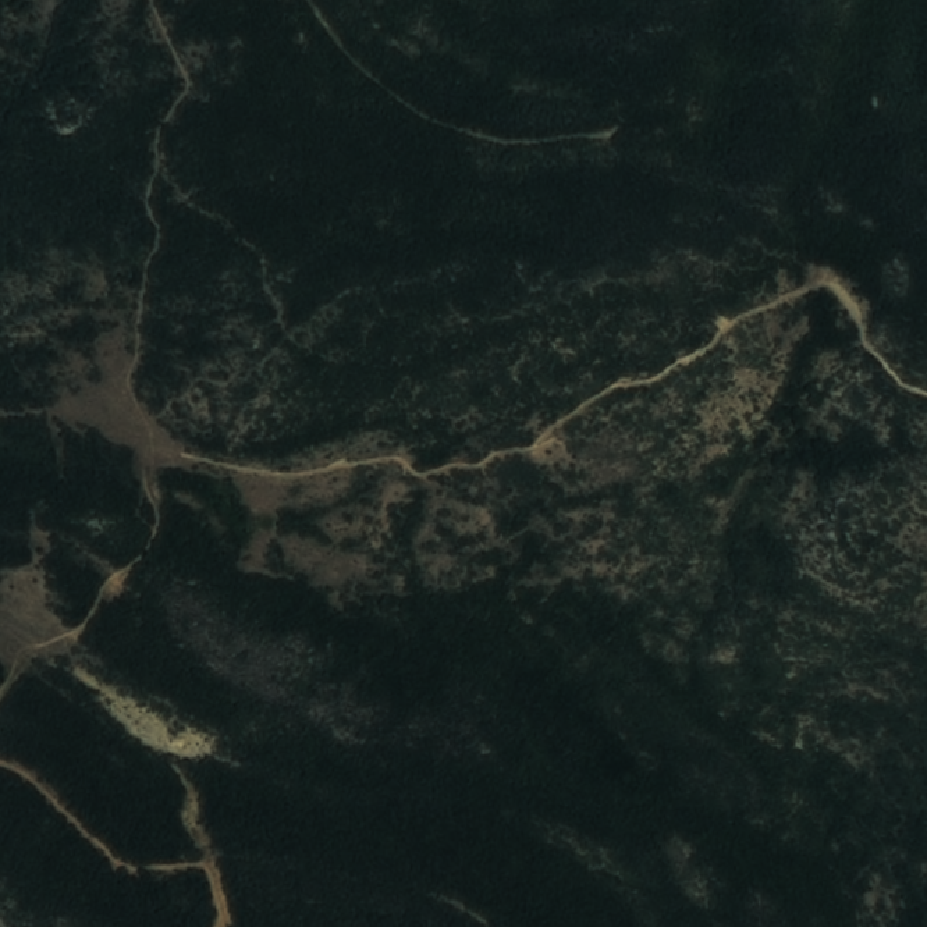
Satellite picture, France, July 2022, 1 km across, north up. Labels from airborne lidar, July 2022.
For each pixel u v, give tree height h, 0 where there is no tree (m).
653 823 8
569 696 7
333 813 7
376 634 7
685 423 7
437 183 9
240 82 5
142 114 6
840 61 8
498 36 7
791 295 0
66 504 6
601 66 6
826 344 7
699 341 7
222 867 7
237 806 9
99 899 10
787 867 8
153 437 0
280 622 8
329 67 7
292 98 9
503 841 7
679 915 6
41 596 0
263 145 6
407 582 6
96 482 7
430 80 6
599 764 8
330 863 7
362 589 6
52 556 6
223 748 6
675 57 6
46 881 6
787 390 7
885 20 9
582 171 6
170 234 7
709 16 9
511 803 7
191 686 7
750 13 7
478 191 8
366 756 7
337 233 7
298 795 7
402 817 6
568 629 7
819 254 8
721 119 10
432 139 8
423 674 9
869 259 8
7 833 7
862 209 6
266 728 9
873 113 7
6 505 8
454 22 9
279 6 7
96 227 7
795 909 6
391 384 6
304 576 7
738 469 9
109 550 6
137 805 10
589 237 6
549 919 5
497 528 6
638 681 6
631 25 6
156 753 7
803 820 6
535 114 6
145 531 8
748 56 6
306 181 8
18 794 7
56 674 6
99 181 7
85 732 9
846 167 7
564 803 5
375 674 6
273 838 7
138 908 11
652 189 5
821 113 7
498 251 9
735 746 10
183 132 5
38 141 6
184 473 6
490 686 10
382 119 7
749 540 6
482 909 9
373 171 9
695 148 8
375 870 8
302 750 13
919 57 7
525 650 6
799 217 8
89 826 7
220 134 6
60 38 6
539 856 5
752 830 7
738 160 6
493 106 8
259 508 0
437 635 8
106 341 0
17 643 0
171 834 7
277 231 6
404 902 6
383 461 0
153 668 9
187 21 6
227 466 0
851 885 7
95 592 8
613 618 6
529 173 6
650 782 9
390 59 7
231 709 6
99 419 0
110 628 11
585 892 6
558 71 6
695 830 6
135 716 0
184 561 9
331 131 8
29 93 6
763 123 6
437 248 7
